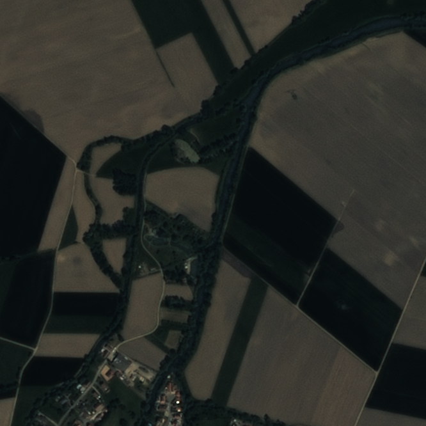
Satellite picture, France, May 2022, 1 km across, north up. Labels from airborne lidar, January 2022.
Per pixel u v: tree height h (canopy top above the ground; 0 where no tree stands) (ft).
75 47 0
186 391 22
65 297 0
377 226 0
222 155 80
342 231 0
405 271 0
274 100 0
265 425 46
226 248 0
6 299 0
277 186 0
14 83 0
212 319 0
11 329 0
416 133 0
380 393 0
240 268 0
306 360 0
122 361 0
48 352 0
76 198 0
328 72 0
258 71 0
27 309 0
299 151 0
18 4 0
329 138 0
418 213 0
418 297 0
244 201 0
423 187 0
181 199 0
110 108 0
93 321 0
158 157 0
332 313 0
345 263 0
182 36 0
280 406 0
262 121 0
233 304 0
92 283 0
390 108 0
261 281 0
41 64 0
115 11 0
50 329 0
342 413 0
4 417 0
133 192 80
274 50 0
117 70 0
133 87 0
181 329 0
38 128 0
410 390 0
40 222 0
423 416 0
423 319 0
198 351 0
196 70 0
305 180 0
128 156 0
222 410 54
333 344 0
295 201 0
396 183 0
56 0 0
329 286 0
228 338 0
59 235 0
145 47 0
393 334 0
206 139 0
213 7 0
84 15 0
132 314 0
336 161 0
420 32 0
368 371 0
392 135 0
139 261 0
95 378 0
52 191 0
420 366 0
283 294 0
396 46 0
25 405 0
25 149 0
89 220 0
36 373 0
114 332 25
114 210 0
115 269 0
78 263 0
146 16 0
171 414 0
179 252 0
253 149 0
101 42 0
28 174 0
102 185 0
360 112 0
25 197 0
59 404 0
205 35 0
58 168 0
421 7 0
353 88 0
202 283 25
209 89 0
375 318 0
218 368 0
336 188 0
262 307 0
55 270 0
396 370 0
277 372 0
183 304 62
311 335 0
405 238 0
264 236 0
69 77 0
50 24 0
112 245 0
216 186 0
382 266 0
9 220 0
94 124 0
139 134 0
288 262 0
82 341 0
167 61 0
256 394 0
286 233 0
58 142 0
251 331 0
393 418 0
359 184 0
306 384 0
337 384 0
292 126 0
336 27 0
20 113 0
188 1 0
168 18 0
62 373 0
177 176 0
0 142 0
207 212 0
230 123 0
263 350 0
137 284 0
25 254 0
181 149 61
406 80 0
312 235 0
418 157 0
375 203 0
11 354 0
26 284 0
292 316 0
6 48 0
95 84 0
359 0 0
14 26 0
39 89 0
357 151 0
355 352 0
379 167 0
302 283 0
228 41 0
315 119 0
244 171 0
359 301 0
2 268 0
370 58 0
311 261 0
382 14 0
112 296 0
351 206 0
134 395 0
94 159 0
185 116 0
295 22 46
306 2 0
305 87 0
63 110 0
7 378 0
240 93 0
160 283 0
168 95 0
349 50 0
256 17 0
